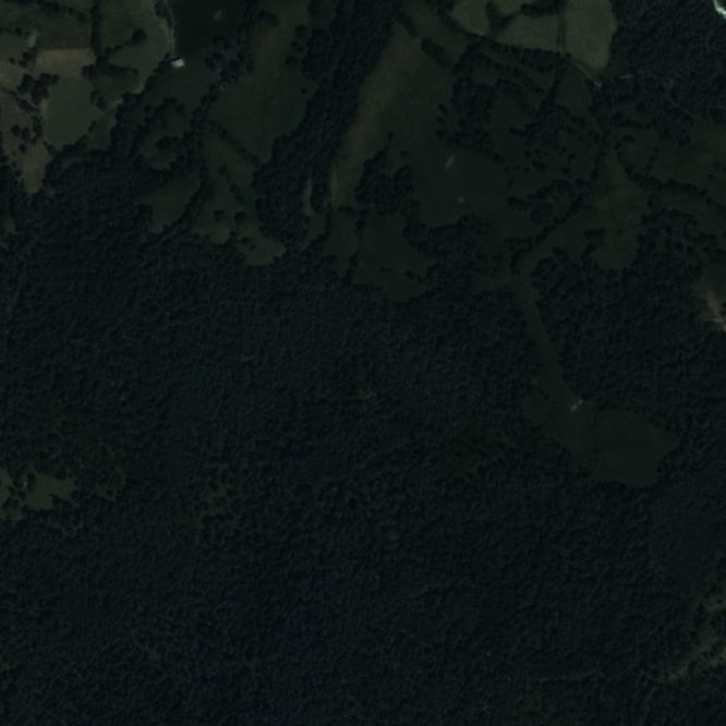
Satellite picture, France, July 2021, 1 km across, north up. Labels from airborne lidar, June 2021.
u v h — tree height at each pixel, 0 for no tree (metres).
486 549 20
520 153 0
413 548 17
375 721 15
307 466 27
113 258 22
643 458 0
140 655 23
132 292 15
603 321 13
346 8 15
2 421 11
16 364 17
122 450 14
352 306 24
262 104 0
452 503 25
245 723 17
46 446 15
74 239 22
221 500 8
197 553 17
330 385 20
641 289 19
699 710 20
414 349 27
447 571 29
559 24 0
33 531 26
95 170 30
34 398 24
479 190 0
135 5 0
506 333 17
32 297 11
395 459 24
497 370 19
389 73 0
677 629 8
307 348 18
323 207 16
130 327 14
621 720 15
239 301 18
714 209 10
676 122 25
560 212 0
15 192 16
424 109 0
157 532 26
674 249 23
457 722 27
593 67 0
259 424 24
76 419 16
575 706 11
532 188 0
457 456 8
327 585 25
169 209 0
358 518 23
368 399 17
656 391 15
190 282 18
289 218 23
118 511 17
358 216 8
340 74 18
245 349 21
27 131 13
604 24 0
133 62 0
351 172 0
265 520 17
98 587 25
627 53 13
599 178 18
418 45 0
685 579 27
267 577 21
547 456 17
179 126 0
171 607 20
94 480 11
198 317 12
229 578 19
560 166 0
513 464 9
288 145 23
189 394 26
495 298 22
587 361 19
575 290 25
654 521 34
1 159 13
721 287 0
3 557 12
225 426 12
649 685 12
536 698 11
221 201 0
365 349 18
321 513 20
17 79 0
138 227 24
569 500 14
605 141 17
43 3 22
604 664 19
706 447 20
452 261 19
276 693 15
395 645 16
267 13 12
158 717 26
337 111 16
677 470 19
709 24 21
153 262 21
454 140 22
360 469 28
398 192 18
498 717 25
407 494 8
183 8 0
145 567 23
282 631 26
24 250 24
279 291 22
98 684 8
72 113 0
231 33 0
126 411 10
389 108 0
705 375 16
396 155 0
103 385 30
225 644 26
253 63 10
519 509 30
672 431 13
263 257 0
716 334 17
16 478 12
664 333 25
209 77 0
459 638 17
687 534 27
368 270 0
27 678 23
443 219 0
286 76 0
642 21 20
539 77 0
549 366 0
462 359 20
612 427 0
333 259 13
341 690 16
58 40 0
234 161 0
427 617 32
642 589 22
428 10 0
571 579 23
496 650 23
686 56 24
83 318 18
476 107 18
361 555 22
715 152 0
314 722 21
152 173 21
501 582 21
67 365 29
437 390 29
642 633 18
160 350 22
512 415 24
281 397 24
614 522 18
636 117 0
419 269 0
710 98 22
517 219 0
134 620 27
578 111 0
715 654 19
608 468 0
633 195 0
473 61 19
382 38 19
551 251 0
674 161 0
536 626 23
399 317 15
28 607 19
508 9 0
